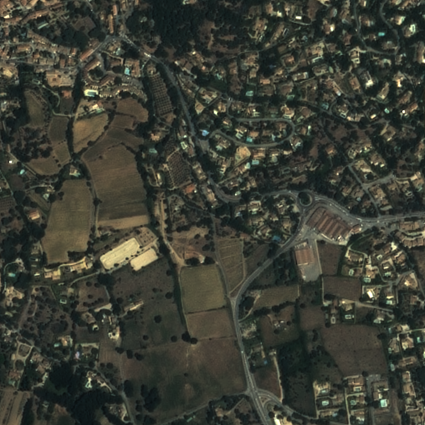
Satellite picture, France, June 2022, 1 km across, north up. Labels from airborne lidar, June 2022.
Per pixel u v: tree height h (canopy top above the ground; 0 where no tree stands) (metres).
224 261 0
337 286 0
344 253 6
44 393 20
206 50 11
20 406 0
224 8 7
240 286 0
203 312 0
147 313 0
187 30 8
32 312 9
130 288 0
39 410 10
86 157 0
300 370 9
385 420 0
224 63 9
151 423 16
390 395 0
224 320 0
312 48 0
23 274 14
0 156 0
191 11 11
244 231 9
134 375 0
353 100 11
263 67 10
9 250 12
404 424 16
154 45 10
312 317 0
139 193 0
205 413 0
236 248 0
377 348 0
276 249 9
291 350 9
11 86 7
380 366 0
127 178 0
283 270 8
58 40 18
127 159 0
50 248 0
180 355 0
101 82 0
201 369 0
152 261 0
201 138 8
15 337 12
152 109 9
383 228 7
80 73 8
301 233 0
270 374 0
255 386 0
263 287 16
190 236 0
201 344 0
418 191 12
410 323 9
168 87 13
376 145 8
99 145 0
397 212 11
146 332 0
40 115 0
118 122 0
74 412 19
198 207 7
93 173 0
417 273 8
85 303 11
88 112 7
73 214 0
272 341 0
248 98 11
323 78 14
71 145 11
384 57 7
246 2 10
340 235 0
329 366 8
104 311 11
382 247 11
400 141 8
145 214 0
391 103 9
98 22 9
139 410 16
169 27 11
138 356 10
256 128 5
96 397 21
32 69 9
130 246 0
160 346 0
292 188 12
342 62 11
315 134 9
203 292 0
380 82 8
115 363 0
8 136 11
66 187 0
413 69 8
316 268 0
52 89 8
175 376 0
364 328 0
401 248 7
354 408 9
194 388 0
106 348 0
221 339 0
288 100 7
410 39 8
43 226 12
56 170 0
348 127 7
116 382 12
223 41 10
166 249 13
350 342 0
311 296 0
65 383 13
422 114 8
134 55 15
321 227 0
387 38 10
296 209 0
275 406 7
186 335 13
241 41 11
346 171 6
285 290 0
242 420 7
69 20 6
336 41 12
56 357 14
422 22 7
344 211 0
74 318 11
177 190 13
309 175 8
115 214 0
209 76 9
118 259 0
